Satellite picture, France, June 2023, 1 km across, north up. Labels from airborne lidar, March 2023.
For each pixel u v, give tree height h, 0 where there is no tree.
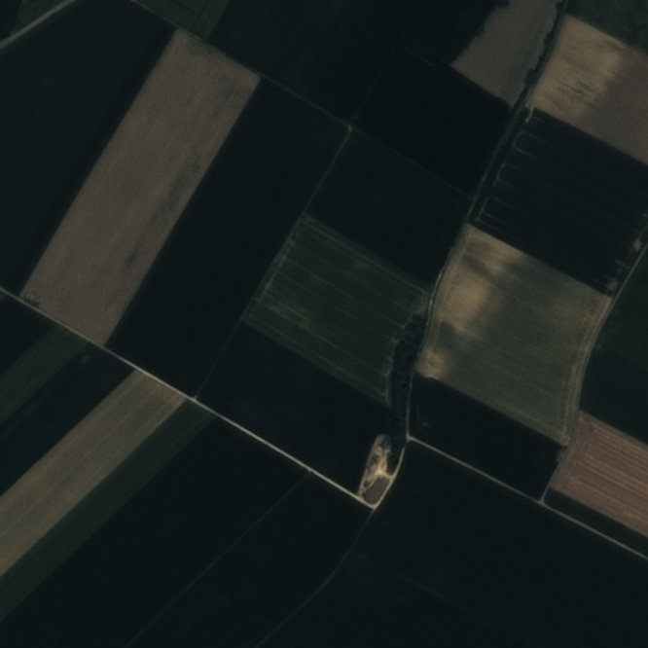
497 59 0
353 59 0
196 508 0
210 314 0
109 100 0
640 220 0
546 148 0
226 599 0
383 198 0
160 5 0
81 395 0
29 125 0
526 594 0
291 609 0
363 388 0
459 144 0
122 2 0
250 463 0
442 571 0
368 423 0
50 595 0
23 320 0
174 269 0
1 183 0
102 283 0
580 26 0
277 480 0
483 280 0
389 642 0
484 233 0
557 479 0
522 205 0
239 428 0
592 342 0
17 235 0
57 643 0
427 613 0
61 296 0
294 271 0
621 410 0
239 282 0
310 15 0
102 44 0
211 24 0
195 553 0
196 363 0
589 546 0
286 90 0
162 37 0
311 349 0
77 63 0
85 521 0
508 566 0
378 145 0
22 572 0
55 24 0
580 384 0
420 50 0
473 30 7
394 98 0
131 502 0
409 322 0
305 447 0
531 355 0
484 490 0
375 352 0
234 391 0
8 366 0
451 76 0
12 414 0
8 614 0
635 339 0
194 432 0
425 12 0
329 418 0
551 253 0
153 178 0
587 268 0
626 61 0
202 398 0
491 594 0
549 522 0
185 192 0
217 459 0
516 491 0
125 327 0
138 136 0
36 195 0
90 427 0
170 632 0
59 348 0
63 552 0
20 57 0
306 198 0
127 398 0
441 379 0
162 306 0
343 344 0
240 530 0
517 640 0
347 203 0
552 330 0
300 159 0
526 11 0
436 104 0
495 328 0
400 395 13
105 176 0
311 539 0
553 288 0
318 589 0
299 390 0
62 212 0
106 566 0
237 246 0
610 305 0
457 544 0
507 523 0
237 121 0
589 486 0
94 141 0
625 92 0
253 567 0
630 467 0
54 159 0
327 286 0
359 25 0
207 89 0
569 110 0
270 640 0
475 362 0
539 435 0
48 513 0
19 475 0
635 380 0
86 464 0
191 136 0
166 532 0
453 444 0
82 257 0
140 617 0
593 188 0
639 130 0
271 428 0
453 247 0
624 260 0
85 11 0
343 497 0
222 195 0
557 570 0
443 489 0
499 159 0
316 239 0
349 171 0
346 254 0
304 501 0
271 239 0
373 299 0
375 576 0
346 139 0
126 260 0
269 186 0
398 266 0
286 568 0
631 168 0
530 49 0
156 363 0
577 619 0
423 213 0
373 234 0
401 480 0
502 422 0
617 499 0
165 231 0
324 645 0
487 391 0
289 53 0
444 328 0
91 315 0
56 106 0
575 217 0
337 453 0
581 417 0
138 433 0
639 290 0
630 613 0
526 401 0
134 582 0
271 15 0
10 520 0
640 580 0
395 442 14
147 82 0
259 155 0
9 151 0
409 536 0
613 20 0
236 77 0
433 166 0
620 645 0
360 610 0
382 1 0
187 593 0
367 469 0
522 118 0
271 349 0
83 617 0
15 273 0
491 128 0
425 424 0
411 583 0
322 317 0
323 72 0
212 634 0
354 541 0
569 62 0
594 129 0
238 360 0
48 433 0
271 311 0
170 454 0
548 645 0
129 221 0
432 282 0
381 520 0
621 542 0
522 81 0
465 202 0
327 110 0
